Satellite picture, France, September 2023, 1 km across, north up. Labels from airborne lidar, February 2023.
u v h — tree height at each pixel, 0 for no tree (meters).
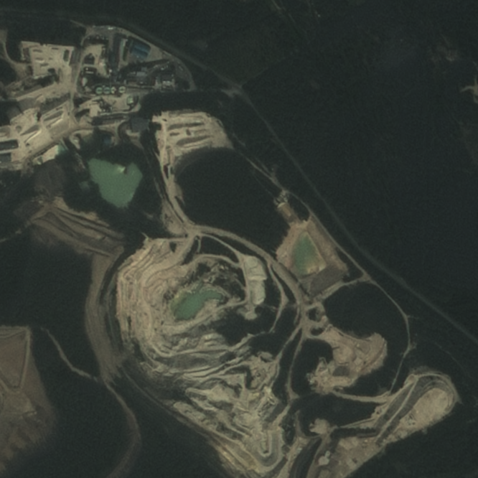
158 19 6
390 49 0
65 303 18
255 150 17
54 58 0
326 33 9
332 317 9
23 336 0
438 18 24
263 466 0
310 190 11
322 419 0
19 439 0
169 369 0
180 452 11
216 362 0
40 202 0
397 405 0
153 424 7
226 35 16
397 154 0
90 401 21
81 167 18
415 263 26
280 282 6
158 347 0
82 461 27
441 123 25
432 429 9
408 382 0
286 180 18
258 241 6
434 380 0
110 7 22
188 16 14
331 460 0
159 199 15
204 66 0
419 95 32
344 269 0
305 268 0
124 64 0
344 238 17
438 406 0
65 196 18
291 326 12
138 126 0
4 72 6
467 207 22
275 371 0
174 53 0
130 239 8
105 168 0
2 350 0
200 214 14
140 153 13
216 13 7
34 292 19
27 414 0
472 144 0
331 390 0
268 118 10
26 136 0
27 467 29
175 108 6
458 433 19
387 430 0
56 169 0
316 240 0
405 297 8
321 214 18
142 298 0
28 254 19
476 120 0
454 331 19
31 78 0
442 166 28
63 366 11
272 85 16
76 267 13
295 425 0
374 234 17
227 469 0
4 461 0
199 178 19
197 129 0
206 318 0
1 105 11
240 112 23
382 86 28
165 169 5
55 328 16
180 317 0
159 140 0
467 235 28
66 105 0
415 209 33
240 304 0
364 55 0
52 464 29
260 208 22
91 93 0
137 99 0
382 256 16
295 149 17
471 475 0
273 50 19
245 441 0
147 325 0
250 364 0
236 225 12
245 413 0
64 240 0
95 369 14
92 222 18
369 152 23
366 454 0
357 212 22
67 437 26
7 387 0
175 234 0
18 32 6
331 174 23
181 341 0
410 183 23
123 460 0
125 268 0
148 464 24
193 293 0
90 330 0
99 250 0
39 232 0
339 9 21
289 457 0
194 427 0
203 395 0
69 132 0
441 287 22
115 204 0
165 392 0
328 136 14
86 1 23
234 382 0
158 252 0
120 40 0
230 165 17
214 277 0
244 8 9
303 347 8
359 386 8
